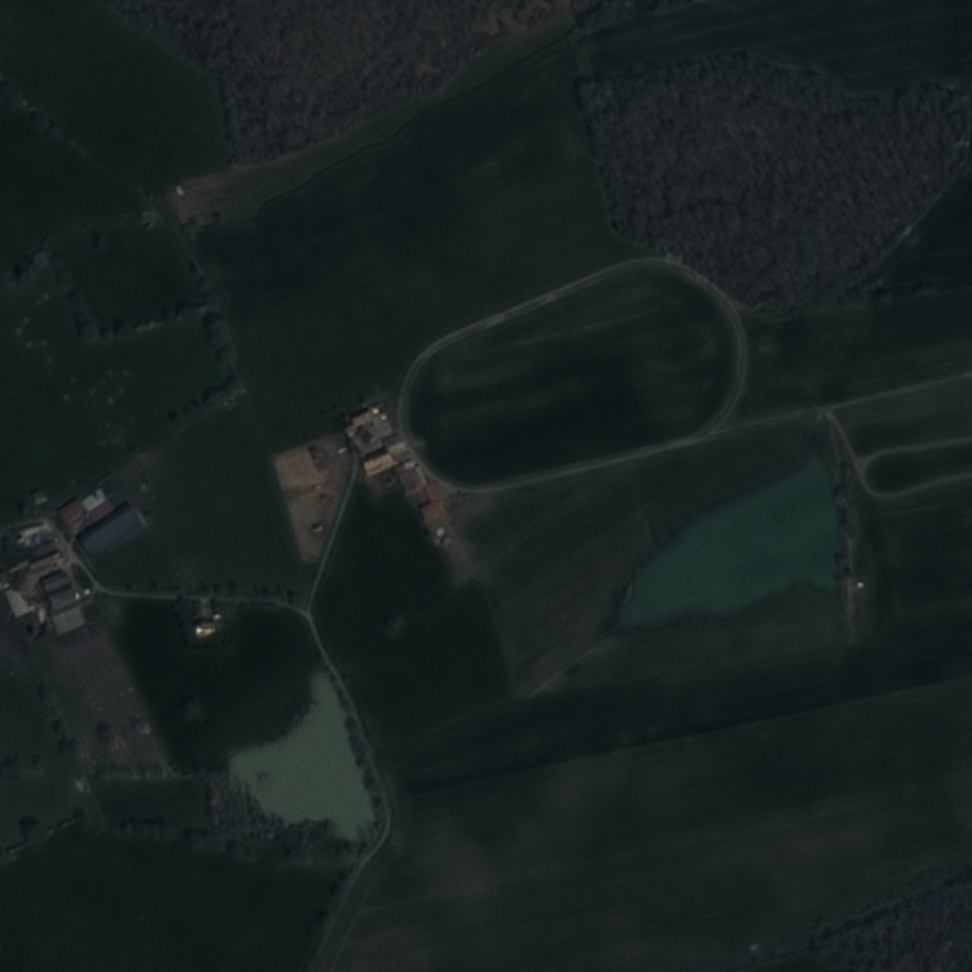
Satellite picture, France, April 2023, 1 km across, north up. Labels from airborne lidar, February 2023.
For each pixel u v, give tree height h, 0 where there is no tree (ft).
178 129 0
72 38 0
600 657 0
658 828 0
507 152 0
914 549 0
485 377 0
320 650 0
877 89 0
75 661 0
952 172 43
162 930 0
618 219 51
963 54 0
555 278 0
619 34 0
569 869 0
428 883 0
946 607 0
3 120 0
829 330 0
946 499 0
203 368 0
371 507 0
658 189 69
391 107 36
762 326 0
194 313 38
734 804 0
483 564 0
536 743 0
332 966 0
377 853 0
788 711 0
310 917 0
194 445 0
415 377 0
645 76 45
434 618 0
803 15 0
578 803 0
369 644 0
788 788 0
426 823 0
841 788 0
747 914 0
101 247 58
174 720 0
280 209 0
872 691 0
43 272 38
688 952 0
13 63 0
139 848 0
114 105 0
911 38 0
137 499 0
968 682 0
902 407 0
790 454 0
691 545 0
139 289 0
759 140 69
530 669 0
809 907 0
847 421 0
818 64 0
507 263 0
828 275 76
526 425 0
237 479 0
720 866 0
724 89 63
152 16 50
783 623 0
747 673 0
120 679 0
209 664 0
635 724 0
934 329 0
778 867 0
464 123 0
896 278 0
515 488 0
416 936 0
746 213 73
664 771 0
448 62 38
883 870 0
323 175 0
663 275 0
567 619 0
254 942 0
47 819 0
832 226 62
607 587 0
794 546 0
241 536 0
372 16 50
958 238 0
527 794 0
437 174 0
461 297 0
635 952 0
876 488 0
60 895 0
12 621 0
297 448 0
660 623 0
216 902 0
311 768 0
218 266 0
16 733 0
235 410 0
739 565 0
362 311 0
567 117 0
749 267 55
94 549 0
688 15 0
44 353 0
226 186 0
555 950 0
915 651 0
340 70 39
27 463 0
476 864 0
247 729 0
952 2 0
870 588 0
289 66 38
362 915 0
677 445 0
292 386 0
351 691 0
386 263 0
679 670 0
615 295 0
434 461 0
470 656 0
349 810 0
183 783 0
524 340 0
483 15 36
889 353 0
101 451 0
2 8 0
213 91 0
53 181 0
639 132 82
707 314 0
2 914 0
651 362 0
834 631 0
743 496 0
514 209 0
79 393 0
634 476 0
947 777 0
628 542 0
